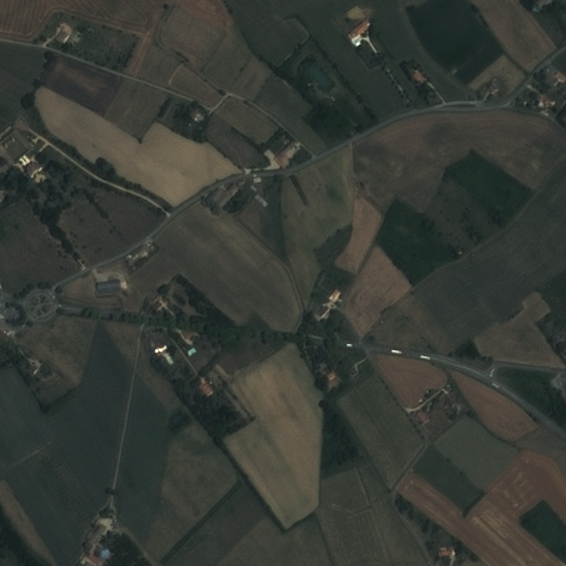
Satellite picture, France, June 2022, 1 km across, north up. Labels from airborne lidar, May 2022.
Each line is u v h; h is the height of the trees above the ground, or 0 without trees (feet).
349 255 0
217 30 0
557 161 0
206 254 0
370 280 0
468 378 0
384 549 0
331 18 0
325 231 0
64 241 46
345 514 0
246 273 0
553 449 0
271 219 0
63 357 0
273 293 0
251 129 0
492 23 0
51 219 74
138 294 0
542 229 0
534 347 0
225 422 24
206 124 24
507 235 0
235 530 0
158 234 0
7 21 0
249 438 0
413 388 0
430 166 0
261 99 0
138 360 0
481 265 0
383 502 0
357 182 0
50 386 0
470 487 0
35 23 0
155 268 0
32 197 22
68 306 0
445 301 0
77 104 0
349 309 0
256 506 0
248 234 0
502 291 0
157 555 0
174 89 0
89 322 0
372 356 0
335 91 0
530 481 0
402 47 0
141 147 0
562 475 0
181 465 0
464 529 0
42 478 0
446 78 0
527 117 0
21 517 0
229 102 0
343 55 0
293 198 0
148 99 0
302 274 0
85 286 0
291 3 0
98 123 0
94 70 0
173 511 0
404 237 0
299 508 0
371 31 51
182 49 0
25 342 0
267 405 0
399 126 0
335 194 0
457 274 0
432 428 0
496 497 0
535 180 0
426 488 0
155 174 0
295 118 0
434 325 0
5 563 0
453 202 0
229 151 0
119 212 0
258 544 0
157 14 0
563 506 0
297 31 0
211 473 0
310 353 36
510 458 0
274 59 0
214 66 0
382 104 0
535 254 0
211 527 0
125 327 0
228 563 0
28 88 0
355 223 0
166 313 40
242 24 0
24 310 24
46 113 0
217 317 28
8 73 0
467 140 0
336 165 0
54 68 0
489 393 0
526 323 0
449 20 0
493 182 0
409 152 0
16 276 0
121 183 26
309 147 0
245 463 0
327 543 0
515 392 0
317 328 30
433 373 0
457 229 0
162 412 0
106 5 0
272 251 0
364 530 0
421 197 0
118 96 0
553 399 35
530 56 0
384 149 0
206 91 0
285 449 0
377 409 0
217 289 0
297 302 0
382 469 0
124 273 0
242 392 0
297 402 0
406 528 0
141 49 0
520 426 0
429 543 19
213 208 42
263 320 0
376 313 0
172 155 0
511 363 0
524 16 0
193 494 0
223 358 0
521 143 0
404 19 0
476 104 0
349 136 24
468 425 0
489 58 0
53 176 64
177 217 0
